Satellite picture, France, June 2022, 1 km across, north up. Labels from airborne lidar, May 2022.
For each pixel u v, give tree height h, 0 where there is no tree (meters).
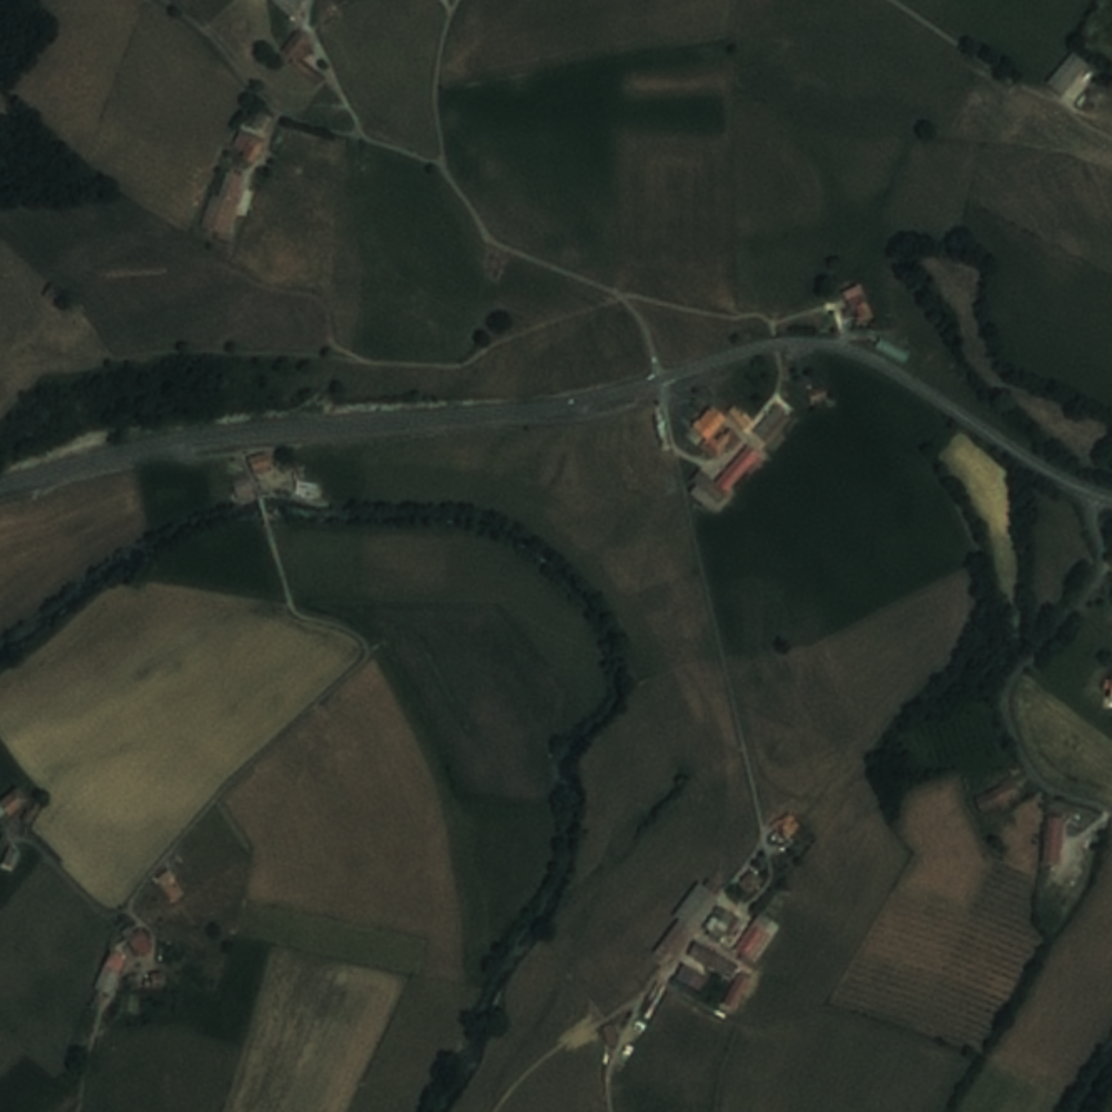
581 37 0
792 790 0
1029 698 0
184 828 0
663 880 0
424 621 0
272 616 0
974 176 0
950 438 0
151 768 0
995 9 0
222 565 0
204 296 0
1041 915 8
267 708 0
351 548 0
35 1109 0
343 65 0
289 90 0
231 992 0
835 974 0
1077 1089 14
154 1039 0
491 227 0
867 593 0
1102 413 10
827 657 0
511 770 0
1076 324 0
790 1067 0
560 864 11
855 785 0
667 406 0
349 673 0
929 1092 0
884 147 0
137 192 0
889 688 0
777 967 0
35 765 0
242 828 0
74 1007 0
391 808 0
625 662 8
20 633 9
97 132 0
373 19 0
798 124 0
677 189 0
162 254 0
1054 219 0
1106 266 0
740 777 0
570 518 0
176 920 0
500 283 0
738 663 0
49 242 0
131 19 0
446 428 0
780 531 0
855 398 0
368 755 0
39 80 0
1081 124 0
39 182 22
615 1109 0
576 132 0
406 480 0
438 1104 15
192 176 0
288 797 0
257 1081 0
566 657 0
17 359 0
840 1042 0
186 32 0
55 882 0
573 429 0
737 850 0
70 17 0
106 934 0
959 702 14
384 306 0
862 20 0
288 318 0
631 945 0
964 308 0
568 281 0
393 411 0
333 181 0
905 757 13
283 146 0
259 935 0
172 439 0
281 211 0
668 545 0
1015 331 0
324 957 0
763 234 0
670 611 0
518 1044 0
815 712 0
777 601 0
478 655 0
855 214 0
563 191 0
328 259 0
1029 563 6
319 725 0
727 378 0
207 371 10
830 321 0
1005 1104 0
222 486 0
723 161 0
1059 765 0
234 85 0
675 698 0
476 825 0
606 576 0
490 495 0
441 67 0
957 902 0
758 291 0
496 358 0
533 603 0
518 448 0
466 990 0
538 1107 0
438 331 0
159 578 0
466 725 0
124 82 0
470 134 0
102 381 10
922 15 0
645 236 0
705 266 0
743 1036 0
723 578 0
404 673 0
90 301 0
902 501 0
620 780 0
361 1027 0
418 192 0
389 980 0
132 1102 0
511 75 0
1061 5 0
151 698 0
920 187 0
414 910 0
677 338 0
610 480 0
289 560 0
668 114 0
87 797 0
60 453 0
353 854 0
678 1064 0
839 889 0
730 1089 0
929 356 0
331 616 0
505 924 0
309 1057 0
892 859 0
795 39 0
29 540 0
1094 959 0
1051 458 8
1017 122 0
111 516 0
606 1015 0
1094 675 0
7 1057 0
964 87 0
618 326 0
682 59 0
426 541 0
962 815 0
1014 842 0
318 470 0
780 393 0
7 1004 0
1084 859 0
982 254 15
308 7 0
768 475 0
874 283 0
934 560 0
